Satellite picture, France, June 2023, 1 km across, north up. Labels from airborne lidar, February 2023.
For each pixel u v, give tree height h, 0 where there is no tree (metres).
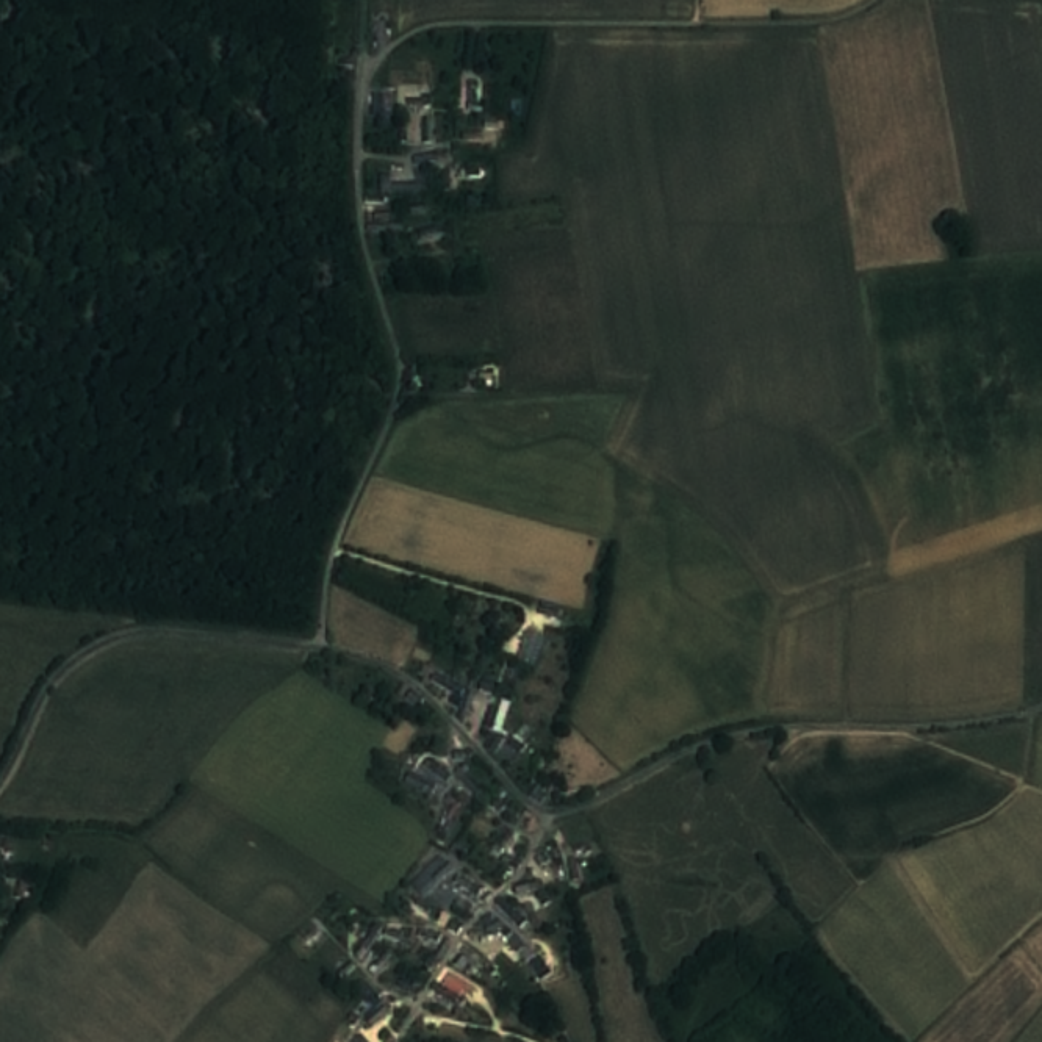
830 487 0
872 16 0
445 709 0
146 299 28
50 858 0
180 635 0
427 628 8
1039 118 0
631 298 0
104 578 25
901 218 0
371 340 25
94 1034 0
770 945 0
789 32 0
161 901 0
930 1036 0
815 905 0
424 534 0
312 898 0
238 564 22
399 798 9
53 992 0
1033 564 0
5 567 20
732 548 0
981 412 0
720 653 0
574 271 0
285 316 34
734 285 0
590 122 0
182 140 35
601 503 0
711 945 15
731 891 0
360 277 21
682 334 0
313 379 27
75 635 0
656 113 0
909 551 0
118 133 30
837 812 0
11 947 0
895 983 0
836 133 0
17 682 0
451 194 6
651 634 0
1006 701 0
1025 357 0
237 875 0
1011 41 0
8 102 29
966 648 0
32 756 0
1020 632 0
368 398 24
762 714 0
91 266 34
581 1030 0
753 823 0
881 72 0
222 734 0
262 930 0
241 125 26
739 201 0
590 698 0
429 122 0
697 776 0
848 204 0
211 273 29
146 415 29
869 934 0
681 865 0
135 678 0
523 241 0
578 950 13
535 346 0
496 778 8
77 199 28
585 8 0
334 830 0
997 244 0
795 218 0
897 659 0
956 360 0
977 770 0
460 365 6
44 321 28
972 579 0
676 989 10
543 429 0
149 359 32
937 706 0
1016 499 0
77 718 0
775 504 0
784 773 0
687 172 0
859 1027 16
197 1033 0
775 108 0
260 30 33
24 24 26
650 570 0
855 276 0
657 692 0
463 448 0
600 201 0
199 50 30
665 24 0
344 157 18
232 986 0
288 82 26
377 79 0
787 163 0
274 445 25
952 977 0
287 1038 0
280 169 31
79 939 0
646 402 0
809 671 0
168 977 0
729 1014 10
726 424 0
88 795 0
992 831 0
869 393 0
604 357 0
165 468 29
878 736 0
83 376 33
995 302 0
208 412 33
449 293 7
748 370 0
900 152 0
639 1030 0
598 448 0
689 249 0
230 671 0
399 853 0
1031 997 0
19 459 32
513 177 0
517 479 0
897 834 0
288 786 0
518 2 0
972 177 0
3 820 10
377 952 7
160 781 0
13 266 32
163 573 26
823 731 0
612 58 0
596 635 10
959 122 0
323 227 18
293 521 23
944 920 0
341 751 0
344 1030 0
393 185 0
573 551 0
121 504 27
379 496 0
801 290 0
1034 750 0
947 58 0
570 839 0
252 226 26
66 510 33
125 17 30
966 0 0
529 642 0
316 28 27
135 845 0
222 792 0
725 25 0
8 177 28
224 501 24
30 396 30
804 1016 13
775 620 0
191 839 0
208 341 29
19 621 0
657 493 0
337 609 0
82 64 30
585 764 0
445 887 0
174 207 32
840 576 0
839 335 0
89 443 35
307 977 0
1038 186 0
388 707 8
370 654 0
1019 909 0
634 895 0
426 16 0
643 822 0
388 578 0
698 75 0
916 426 0
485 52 11
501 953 0
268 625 21
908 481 0
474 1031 7
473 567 0
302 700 0
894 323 0
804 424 0
